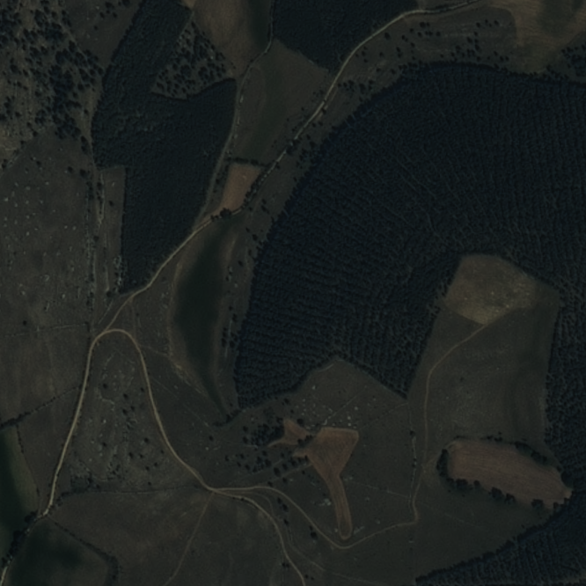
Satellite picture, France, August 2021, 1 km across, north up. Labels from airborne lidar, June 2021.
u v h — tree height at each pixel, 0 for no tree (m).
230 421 11
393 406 0
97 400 0
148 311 0
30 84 0
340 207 17
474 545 0
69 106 13
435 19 0
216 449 0
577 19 0
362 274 14
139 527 0
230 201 0
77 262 0
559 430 10
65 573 0
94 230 0
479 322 0
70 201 0
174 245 8
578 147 14
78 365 0
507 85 16
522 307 0
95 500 0
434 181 14
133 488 0
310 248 16
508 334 0
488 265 0
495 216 12
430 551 0
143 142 10
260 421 0
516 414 0
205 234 0
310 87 0
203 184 10
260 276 15
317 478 0
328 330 13
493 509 0
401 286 9
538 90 16
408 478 0
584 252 10
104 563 0
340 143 17
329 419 0
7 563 13
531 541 11
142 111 11
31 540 0
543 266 11
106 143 12
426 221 14
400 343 11
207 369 0
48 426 0
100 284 0
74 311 0
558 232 14
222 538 0
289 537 0
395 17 9
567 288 10
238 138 0
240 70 0
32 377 0
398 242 14
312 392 0
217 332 0
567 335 10
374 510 0
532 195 13
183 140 9
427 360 0
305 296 14
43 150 0
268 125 0
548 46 0
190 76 11
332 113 0
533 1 0
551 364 9
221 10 0
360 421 0
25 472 0
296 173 0
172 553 0
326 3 12
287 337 14
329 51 12
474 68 14
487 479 0
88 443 0
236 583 0
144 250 11
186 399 0
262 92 0
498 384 0
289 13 11
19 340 0
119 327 0
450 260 11
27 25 0
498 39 0
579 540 15
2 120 10
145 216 10
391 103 18
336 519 0
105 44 0
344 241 12
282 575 0
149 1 11
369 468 0
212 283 0
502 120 18
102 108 10
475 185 12
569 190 14
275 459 0
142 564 0
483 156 14
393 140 14
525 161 16
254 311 13
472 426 0
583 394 9
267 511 0
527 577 11
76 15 0
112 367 0
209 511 0
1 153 0
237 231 0
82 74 13
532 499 0
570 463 14
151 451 0
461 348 0
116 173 0
